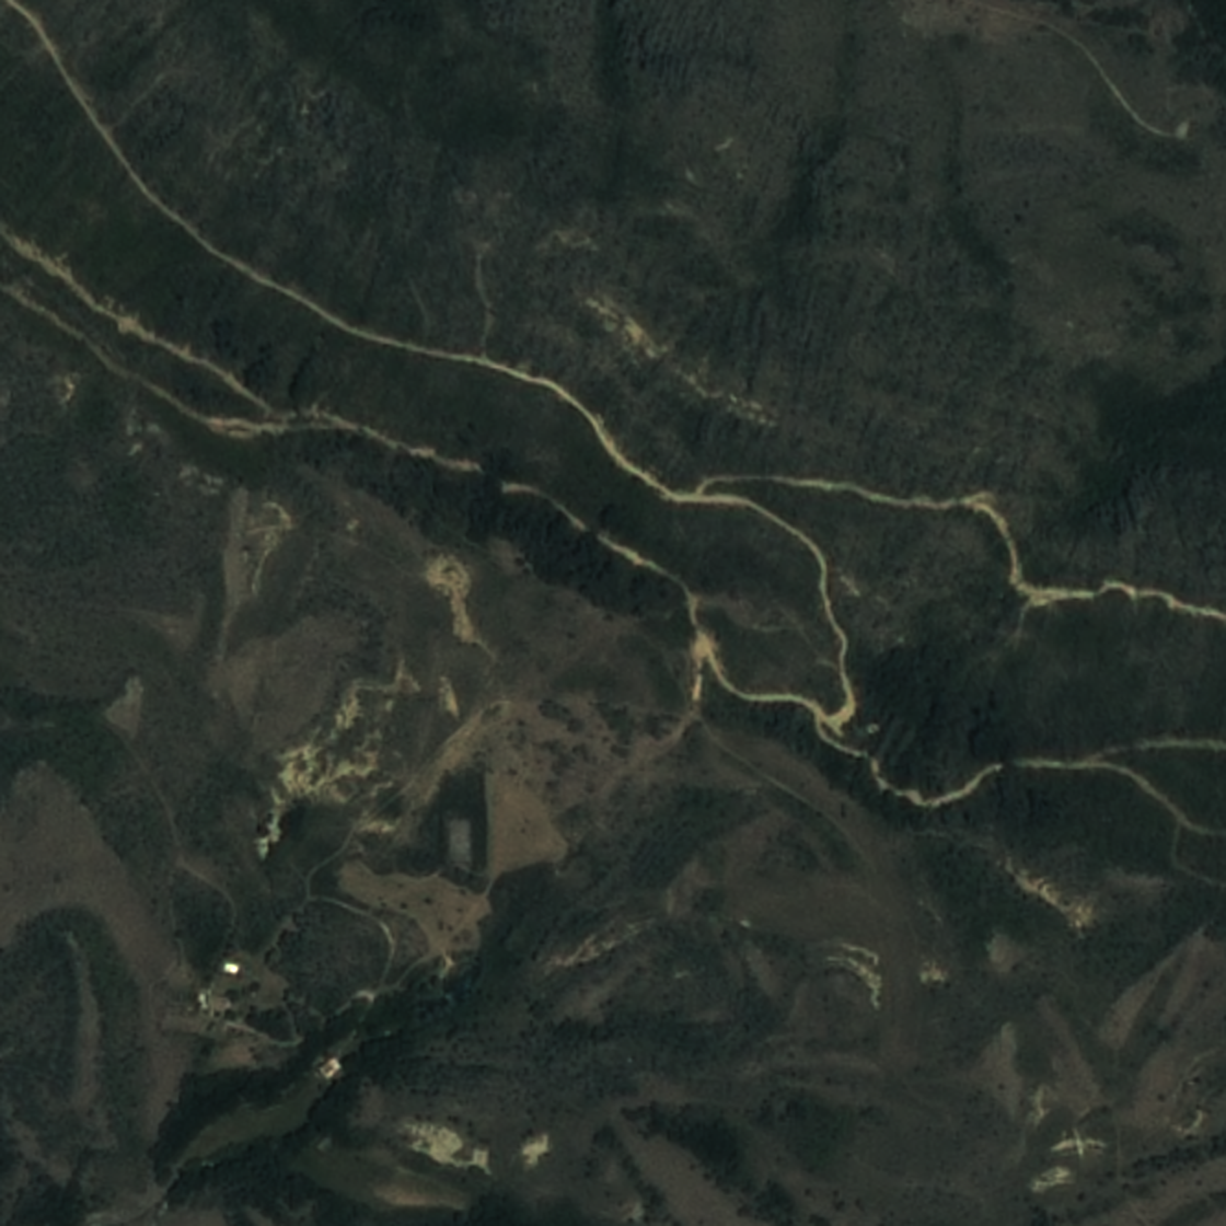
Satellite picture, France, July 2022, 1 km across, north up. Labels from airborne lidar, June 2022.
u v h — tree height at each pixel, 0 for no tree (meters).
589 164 0
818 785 0
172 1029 0
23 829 0
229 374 0
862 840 0
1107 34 0
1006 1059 0
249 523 0
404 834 0
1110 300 0
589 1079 12
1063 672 0
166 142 10
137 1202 0
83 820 0
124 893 0
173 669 0
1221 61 7
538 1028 9
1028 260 0
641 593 12
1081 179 0
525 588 0
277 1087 12
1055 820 8
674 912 0
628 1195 0
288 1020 16
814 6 0
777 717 12
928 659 11
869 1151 0
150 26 11
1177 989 0
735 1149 7
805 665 0
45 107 11
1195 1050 0
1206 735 0
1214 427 6
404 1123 0
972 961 0
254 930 10
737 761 0
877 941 0
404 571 0
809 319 10
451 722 0
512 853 0
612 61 10
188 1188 10
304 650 0
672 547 11
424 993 15
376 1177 0
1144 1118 0
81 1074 0
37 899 0
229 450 0
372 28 10
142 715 0
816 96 0
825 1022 0
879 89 0
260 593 0
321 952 12
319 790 0
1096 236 0
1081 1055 0
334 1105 10
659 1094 0
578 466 0
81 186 0
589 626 0
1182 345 7
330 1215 11
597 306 0
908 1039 0
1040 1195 0
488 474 14
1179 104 0
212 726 0
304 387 16
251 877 0
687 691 0
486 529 10
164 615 0
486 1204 11
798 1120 7
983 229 0
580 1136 0
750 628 0
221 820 10
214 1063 0
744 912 0
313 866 0
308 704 0
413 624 0
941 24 0
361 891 0
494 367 0
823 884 0
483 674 0
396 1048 14
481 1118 0
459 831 0
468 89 0
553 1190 0
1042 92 0
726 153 0
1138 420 9
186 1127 17
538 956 10
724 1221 0
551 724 0
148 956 0
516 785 0
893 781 12
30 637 0
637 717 0
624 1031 12
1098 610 0
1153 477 11
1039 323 0
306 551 0
